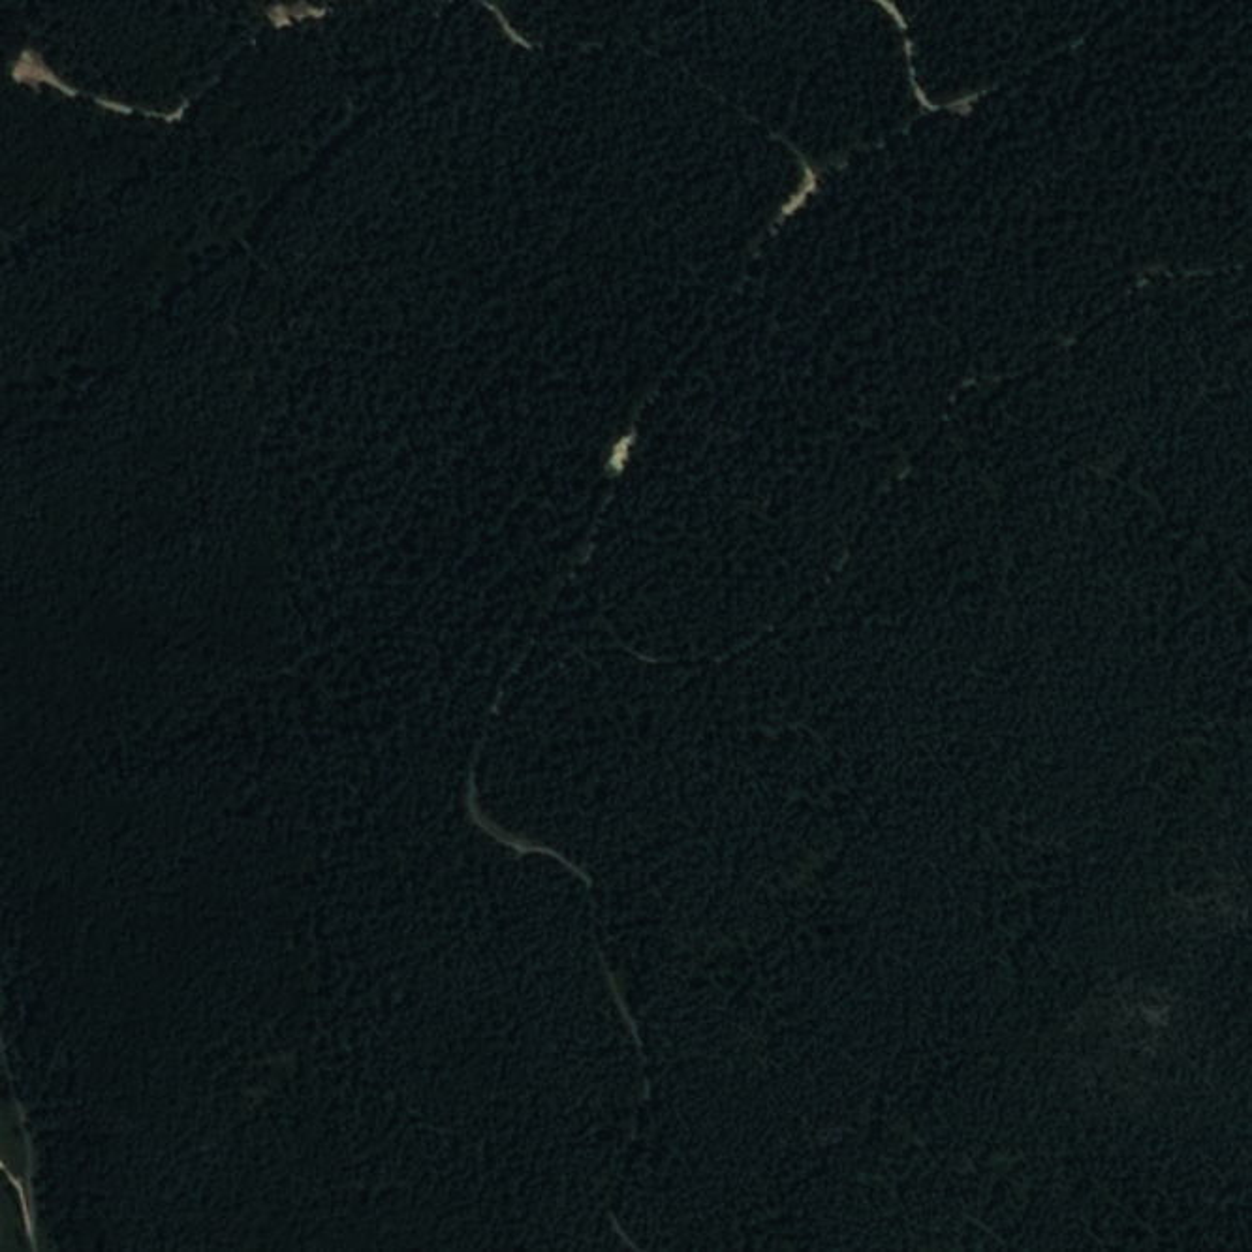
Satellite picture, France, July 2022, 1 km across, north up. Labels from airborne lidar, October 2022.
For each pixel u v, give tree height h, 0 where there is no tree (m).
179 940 27
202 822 24
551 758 11
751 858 22
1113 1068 8
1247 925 11
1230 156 13
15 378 8
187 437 17
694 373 15
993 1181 12
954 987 23
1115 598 16
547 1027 22
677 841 24
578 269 17
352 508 26
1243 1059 18
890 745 22
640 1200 25
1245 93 15
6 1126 0
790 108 15
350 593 29
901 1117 24
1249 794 18
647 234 13
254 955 23
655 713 18
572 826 21
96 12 25
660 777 23
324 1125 9
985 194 27
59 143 17
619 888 27
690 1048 24
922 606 15
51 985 26
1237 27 21
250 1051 13
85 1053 25
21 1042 20
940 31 22
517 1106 13
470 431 30
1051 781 18
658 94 22
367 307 9
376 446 25
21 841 21
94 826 26
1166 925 10
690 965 24
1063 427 26
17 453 26
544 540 25
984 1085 21
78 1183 19
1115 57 14
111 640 22
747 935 20
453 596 25
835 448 26
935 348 26
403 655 24
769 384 28
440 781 10
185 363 27
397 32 29
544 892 18
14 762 29
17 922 29
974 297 18
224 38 21
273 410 27
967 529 18
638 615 21
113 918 24
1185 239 24
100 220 20
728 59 11
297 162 7
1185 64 15
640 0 18
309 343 18
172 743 14
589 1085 22
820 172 0
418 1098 15
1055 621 19
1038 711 15
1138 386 23
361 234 16
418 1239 10
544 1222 20
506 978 16
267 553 23
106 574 31
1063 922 21
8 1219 0
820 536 20
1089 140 19
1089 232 19
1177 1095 10
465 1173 22
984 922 15
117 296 23
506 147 19
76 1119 20
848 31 6
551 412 27
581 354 23
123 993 26
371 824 18
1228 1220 16
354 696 8
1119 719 22
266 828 26
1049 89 23
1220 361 26
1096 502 18
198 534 25
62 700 25
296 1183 18
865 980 20
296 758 23
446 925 15
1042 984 7
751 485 17
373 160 22
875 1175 24
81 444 25
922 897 20
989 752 20
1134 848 20
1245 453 23
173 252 9
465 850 18
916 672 21
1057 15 13
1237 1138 9
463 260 18
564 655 23
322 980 8
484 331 9
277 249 21
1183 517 8
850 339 13
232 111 23
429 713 21
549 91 16
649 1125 29
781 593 24
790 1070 17
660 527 21
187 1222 20
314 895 21
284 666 25
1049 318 20
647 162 14
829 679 18
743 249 19
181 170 27
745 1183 22
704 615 20
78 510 21
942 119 16
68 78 19
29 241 7
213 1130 15
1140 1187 18
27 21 23
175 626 29
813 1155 22
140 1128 21
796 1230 26
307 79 24
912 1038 23
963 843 25
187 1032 22
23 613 23
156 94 19
